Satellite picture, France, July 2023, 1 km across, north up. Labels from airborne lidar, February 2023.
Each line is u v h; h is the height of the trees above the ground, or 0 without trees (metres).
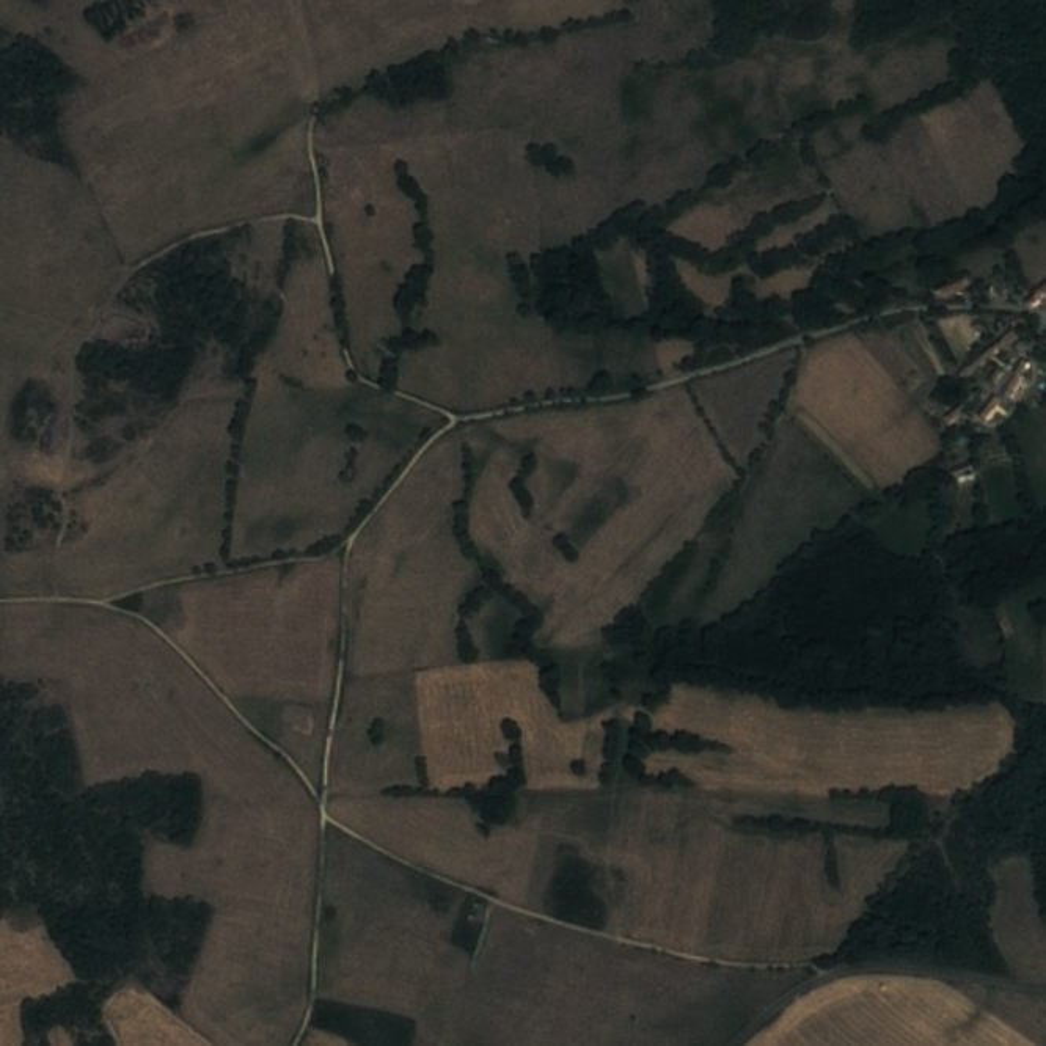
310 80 0
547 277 17
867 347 0
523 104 0
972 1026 0
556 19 0
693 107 0
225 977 0
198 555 0
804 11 6
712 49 9
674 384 0
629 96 0
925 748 0
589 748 0
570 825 0
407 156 0
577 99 0
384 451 0
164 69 0
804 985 0
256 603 0
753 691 19
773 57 0
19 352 0
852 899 0
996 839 15
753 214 0
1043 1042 0
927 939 17
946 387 12
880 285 18
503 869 0
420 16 0
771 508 0
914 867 6
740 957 0
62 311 0
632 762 14
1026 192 18
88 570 0
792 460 0
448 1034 0
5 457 0
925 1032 0
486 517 0
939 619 8
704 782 0
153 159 0
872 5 7
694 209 12
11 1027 0
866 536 9
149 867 0
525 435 0
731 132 0
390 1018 0
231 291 10
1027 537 17
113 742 0
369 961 0
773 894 0
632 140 0
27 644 0
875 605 12
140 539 0
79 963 7
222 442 0
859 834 10
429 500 0
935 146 0
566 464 0
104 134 0
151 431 0
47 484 0
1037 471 0
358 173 0
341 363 0
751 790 0
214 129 0
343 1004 0
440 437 0
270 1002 0
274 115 0
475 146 0
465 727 0
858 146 0
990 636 0
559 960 0
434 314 0
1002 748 0
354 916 0
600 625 0
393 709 0
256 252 0
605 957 0
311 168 0
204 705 0
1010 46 17
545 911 0
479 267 0
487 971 0
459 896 0
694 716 0
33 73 8
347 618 0
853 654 14
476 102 0
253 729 0
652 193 0
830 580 7
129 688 0
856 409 0
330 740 0
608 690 0
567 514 0
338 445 0
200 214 0
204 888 0
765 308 8
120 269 0
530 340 0
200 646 0
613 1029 0
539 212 0
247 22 0
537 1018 0
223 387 0
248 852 0
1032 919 0
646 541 0
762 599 12
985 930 10
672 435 0
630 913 0
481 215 0
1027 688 0
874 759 0
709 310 0
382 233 0
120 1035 0
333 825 0
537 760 0
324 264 0
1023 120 15
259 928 0
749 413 0
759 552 0
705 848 0
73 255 0
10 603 0
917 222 0
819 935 0
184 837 9
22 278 0
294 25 0
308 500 0
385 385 15
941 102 14
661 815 0
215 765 0
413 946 0
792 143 13
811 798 0
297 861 0
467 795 9
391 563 0
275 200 0
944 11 13
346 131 0
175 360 10
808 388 0
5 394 0
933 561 18
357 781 0
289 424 0
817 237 16
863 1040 0
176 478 0
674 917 0
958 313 0
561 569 0
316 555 11
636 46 0
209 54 0
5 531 0
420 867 0
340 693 0
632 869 0
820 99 0
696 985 0
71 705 0
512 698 0
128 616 0
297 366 0
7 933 0
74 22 0
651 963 0
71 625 0
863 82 0
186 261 7
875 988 0
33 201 0
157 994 0
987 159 0
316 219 0
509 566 0
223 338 8
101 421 0
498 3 0
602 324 14
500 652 0
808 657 20
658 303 11
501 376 0
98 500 0
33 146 0
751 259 10
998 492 0
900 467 0
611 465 0
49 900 7
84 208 0
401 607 0
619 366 0
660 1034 0
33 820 8
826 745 0
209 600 0
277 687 0
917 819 11
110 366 9
